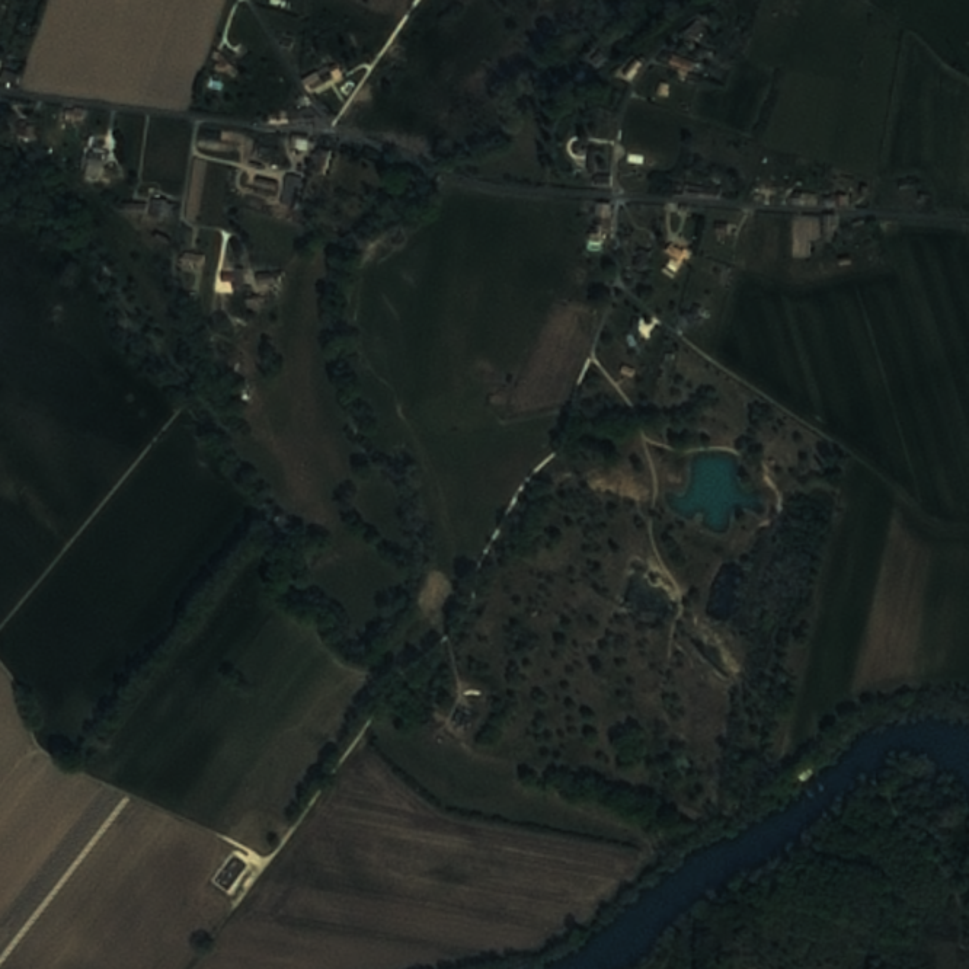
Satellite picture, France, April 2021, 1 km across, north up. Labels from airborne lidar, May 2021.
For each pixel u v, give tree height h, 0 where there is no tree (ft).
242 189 0
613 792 53
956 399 0
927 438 0
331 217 38
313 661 0
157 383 52
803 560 55
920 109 0
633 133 0
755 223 0
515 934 0
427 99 0
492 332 0
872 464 0
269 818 0
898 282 0
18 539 0
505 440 0
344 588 0
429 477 0
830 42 0
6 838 0
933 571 0
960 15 0
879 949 35
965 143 0
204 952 62
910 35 0
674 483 0
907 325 0
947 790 44
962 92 0
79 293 0
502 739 35
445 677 46
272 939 0
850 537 0
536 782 54
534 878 0
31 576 0
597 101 62
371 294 0
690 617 31
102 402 0
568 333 0
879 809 66
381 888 0
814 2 0
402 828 0
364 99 0
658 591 0
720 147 0
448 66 0
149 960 0
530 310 0
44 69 0
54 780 0
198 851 0
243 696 53
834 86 0
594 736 41
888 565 0
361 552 0
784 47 0
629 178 0
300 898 0
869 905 93
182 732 0
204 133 0
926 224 0
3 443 0
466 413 0
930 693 42
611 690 0
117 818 0
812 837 57
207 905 0
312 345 0
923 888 53
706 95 0
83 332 0
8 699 0
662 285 0
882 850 44
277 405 0
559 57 86
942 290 0
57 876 0
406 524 60
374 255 0
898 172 0
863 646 0
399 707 54
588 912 0
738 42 0
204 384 76
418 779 0
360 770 0
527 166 0
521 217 0
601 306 56
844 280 0
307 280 0
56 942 0
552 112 52
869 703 46
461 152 47
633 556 0
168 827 0
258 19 0
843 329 0
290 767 0
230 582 64
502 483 0
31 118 41
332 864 0
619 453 56
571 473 0
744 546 0
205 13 0
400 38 0
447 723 0
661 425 62
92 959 0
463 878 0
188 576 0
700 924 41
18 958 0
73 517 0
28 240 0
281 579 83
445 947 0
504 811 0
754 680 52
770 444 0
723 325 0
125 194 0
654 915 0
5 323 0
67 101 0
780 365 0
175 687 0
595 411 49
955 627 0
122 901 0
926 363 0
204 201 0
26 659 0
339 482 0
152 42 0
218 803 0
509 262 0
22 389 0
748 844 0
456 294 0
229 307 0
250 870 0
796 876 92
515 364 0
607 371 0
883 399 0
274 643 0
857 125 0
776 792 74
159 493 0
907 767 60
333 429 0
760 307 0
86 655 0
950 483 0
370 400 0
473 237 0
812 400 0
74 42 0
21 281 0
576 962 0
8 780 0
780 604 50
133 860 0
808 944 35
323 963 0
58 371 0
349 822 0
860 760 0
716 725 0
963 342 0
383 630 54
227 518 0
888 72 0
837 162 0
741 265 0
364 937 0
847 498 0
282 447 0
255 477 53
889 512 0
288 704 0
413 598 52
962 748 0
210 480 0
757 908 39
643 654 26
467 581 77
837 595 0
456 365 0
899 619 0
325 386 0
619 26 83
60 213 41
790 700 51
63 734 0
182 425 0
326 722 0
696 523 0
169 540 0
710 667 0
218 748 0
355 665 57
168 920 0
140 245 0
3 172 63
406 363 0
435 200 81
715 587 0
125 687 60
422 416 0
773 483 0
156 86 0
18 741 0
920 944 55
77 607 0
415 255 0
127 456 0
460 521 0
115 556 0
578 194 0
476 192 0
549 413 0
